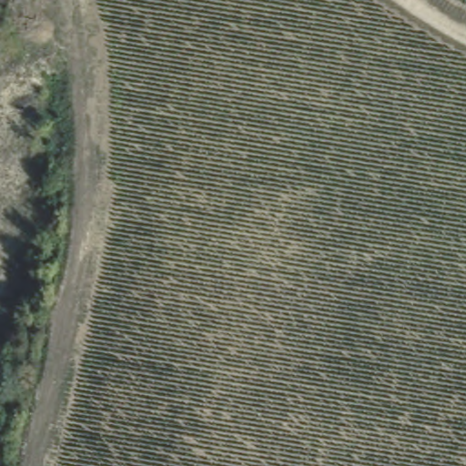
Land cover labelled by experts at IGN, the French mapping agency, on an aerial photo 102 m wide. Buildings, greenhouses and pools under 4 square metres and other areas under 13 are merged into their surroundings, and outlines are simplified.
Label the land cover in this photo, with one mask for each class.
<instances>
[{"label":"vineyard","instance_id":"1","mask_svg":"<svg viewBox=\"0 0 466 466\"><path fill-rule=\"evenodd\" d=\"M100 16L107 22V76L111 115L109 180L115 182L116 193L109 215L113 228L106 242L102 275L96 284L93 320L86 337L87 349L82 360V370L75 371V380H78L75 408L67 426V430L73 435L71 439H66V442H60L62 453L58 459V466H466V46L453 40L451 36L444 35L433 25L426 24L419 16L411 15L408 9H404L393 0H96ZM453 22L466 25V0H424Z\"/></svg>","mask_w":466,"mask_h":466},{"label":"herbaceous vegetation","instance_id":"2","mask_svg":"<svg viewBox=\"0 0 466 466\"><path fill-rule=\"evenodd\" d=\"M0 2L7 4V16L15 22L20 36L33 42H49L55 49L69 53V86L71 104L75 111V208L69 211L67 220V233H71V248L67 255L64 280L60 284V289L56 291L51 313V335L44 379L35 393V411L29 415V435L22 433V466H58V459L62 453L60 442H66V439H71L73 435L67 430V426L75 408L78 380H75V371L82 370V360L87 349L86 337L93 320L96 284L102 275L106 242L113 228L109 215L116 193L115 182L109 180L111 115L107 76V22L100 16L96 0H0ZM53 75V67L47 66L46 58H38L29 66L15 67L9 75H0V195L15 202L11 209H5L4 217L20 229L15 237L0 233V244L7 257H20L22 249L33 244L36 235L44 233L47 226L55 220L56 211L53 204H49L47 197H20L22 189L27 186L22 157L18 153H13L9 155V160H5L4 147L9 146L11 138L15 137L9 126L22 122L20 113L11 106V100L16 96L27 95L35 84L40 86V75Z\"/></svg>","mask_w":466,"mask_h":466},{"label":"deciduous trees","instance_id":"3","mask_svg":"<svg viewBox=\"0 0 466 466\"><path fill-rule=\"evenodd\" d=\"M38 58H46L47 66L53 67V75H40V86L35 84L27 95L16 96L11 100V106L20 113L22 122L9 126L15 137L11 138L9 146L4 147L5 160H9V155L13 153H18L22 157L27 186L22 189L20 197H47L49 204H53L56 211L55 220L47 226L44 233L36 235L33 244L42 248V257L38 258L40 268L33 269L29 275L36 277L31 286L40 291L33 299L25 300L24 306L16 308L18 333L11 335L5 342L0 362V466H22V433L29 435V415L35 411V393L44 379L51 335V313L56 291L60 289V284L64 280L67 255L71 248V233H67V220L69 211L75 208V111L71 104L69 86V53L55 49L49 42H33L20 36L15 22L7 16V4L0 2V75H9L15 67L29 66Z\"/></svg>","mask_w":466,"mask_h":466},{"label":"agricultural land","instance_id":"4","mask_svg":"<svg viewBox=\"0 0 466 466\"><path fill-rule=\"evenodd\" d=\"M15 202L0 195V233L15 237L20 229L4 217L5 209H11ZM42 248L33 244L22 249L20 257H7L0 244V362L5 342L11 335L18 333L16 308L24 306L25 300L33 299L40 291L31 286L36 277L29 275L33 269L40 268L38 258L42 257Z\"/></svg>","mask_w":466,"mask_h":466},{"label":"pervious surface","instance_id":"5","mask_svg":"<svg viewBox=\"0 0 466 466\"><path fill-rule=\"evenodd\" d=\"M404 9H408L411 15L419 16L426 24L433 25L444 35L451 36L453 40L466 46V25L453 22L424 0H393Z\"/></svg>","mask_w":466,"mask_h":466}]
</instances>
